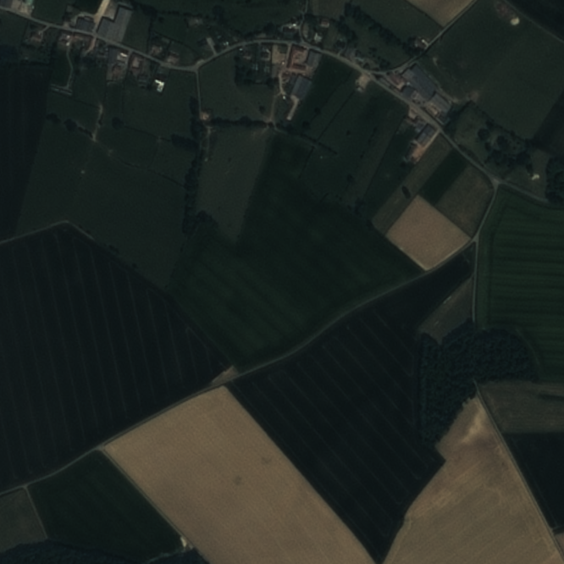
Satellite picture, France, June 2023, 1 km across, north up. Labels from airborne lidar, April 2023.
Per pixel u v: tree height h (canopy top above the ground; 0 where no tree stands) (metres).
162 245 0
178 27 0
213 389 0
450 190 0
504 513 0
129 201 0
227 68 0
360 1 0
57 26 0
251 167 0
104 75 0
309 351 0
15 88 0
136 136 0
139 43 0
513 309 0
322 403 0
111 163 0
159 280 0
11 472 0
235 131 0
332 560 0
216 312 0
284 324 0
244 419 0
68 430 0
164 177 0
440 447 0
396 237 0
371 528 0
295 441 0
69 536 0
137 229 0
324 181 0
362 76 0
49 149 0
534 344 0
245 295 0
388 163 0
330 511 0
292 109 0
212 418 0
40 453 0
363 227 0
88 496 0
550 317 0
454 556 0
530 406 0
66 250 0
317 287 0
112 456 0
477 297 0
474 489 0
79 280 0
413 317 0
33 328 0
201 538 0
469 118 0
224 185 0
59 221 0
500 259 0
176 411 0
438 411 8
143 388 0
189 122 0
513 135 14
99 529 0
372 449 0
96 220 0
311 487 0
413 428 0
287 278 0
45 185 0
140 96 0
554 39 0
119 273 0
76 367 0
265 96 0
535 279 0
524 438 0
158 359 0
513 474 0
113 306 0
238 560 0
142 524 0
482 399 0
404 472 0
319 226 0
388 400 0
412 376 0
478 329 0
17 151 0
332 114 0
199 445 0
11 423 0
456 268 0
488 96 0
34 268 0
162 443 0
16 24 0
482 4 0
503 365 11
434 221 0
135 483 0
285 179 0
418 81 0
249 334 0
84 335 0
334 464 0
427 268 0
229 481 0
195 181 14
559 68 0
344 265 0
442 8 0
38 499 0
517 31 0
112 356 0
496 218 0
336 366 0
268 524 0
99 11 0
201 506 0
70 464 0
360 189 0
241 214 0
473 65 0
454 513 0
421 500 0
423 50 9
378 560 0
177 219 0
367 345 0
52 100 0
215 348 0
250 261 0
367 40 0
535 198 0
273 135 0
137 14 0
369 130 0
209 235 0
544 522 0
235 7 0
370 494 0
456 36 0
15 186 0
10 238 0
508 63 0
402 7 0
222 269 0
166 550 0
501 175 0
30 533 0
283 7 0
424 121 0
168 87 0
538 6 0
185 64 0
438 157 0
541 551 0
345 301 0
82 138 0
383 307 0
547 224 0
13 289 0
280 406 0
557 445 0
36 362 0
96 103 0
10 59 21
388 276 0
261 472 0
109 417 0
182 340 0
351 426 0
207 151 0
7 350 0
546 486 0
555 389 0
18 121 0
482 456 0
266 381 0
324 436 0
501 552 0
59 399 0
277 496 0
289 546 0
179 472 0
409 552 0
